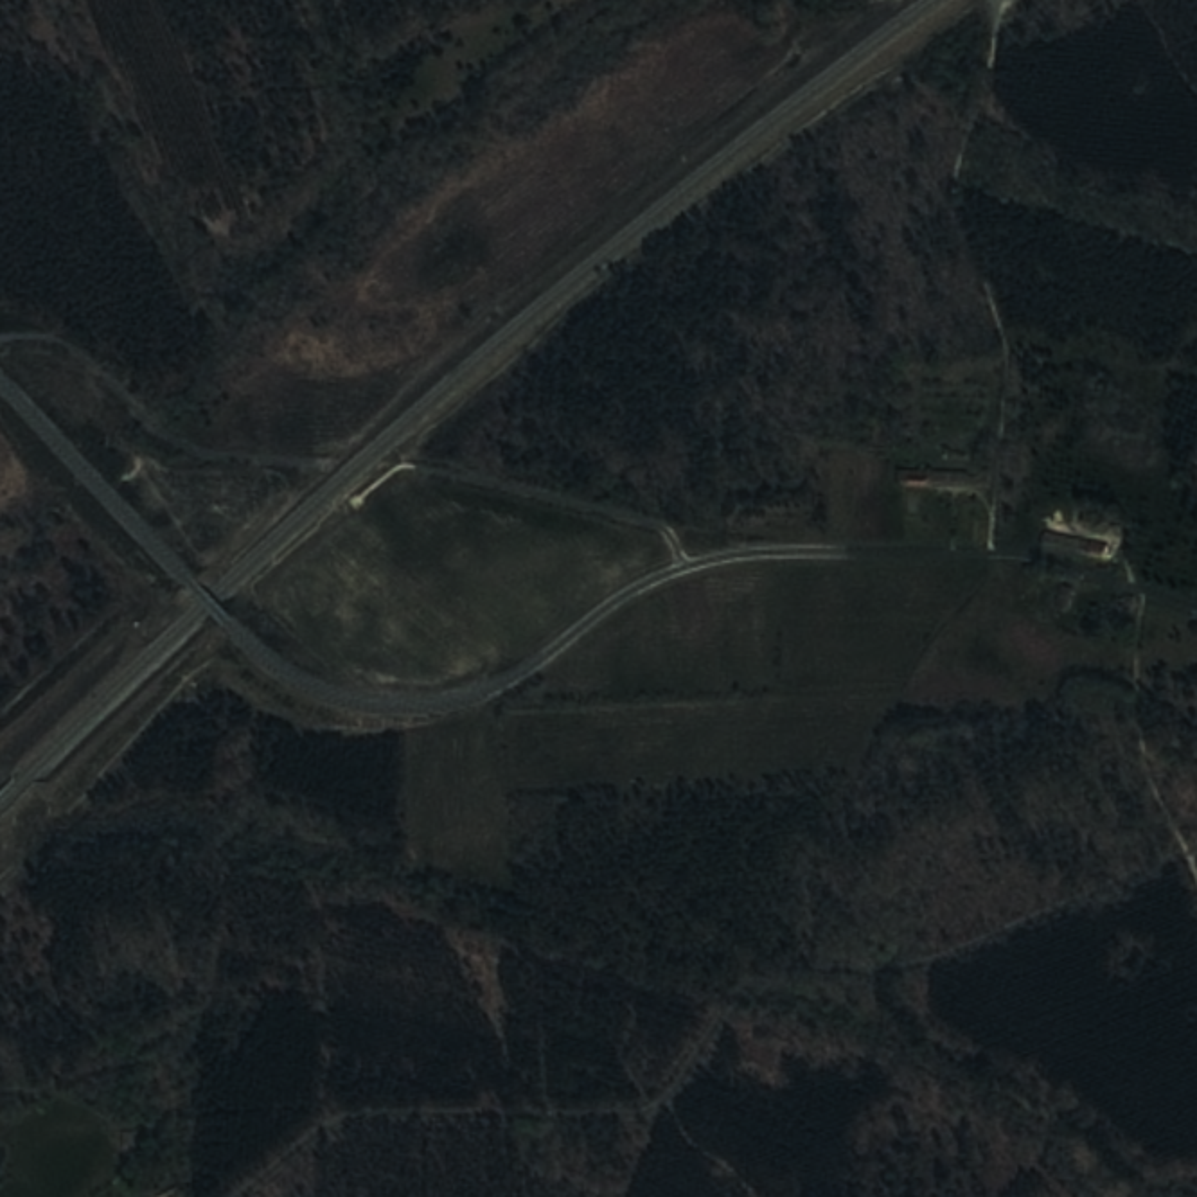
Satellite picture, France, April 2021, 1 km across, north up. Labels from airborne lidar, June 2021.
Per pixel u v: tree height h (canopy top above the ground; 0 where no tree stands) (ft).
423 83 0
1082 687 56
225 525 0
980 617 0
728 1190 24
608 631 0
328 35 66
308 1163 29
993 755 60
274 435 0
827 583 0
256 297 33
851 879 34
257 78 69
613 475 45
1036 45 34
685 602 0
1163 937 35
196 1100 34
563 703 33
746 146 0
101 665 0
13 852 0
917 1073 31
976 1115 51
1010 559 0
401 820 22
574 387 55
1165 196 47
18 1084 45
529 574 0
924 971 42
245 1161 43
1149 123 37
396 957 49
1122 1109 37
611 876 64
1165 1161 28
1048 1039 35
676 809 51
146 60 31
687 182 0
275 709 0
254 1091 40
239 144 65
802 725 0
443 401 0
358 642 0
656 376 61
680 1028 26
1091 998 34
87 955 65
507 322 0
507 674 0
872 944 54
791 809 49
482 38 0
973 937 30
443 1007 31
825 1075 36
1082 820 48
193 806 37
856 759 0
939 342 47
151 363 73
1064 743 85
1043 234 40
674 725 0
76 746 0
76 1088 50
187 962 48
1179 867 38
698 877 57
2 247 58
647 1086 33
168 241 77
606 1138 45
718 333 35
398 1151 58
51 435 0
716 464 76
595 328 54
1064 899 37
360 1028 33
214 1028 39
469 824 0
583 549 0
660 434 55
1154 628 0
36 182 64
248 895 70
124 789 53
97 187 71
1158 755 40
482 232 0
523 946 40
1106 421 51
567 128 0
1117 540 0
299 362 0
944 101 39
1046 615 0
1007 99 36
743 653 0
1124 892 46
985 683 0
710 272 56
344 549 0
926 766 61
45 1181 0
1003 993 34
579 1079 29
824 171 47
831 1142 32
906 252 31
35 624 73
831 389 49
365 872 40
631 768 0
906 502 0
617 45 20
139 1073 46
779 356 24
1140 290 38
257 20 74
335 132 65
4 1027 45
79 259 62
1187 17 52
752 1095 26
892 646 0
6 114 56
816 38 0
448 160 34
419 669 0
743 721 0
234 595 0
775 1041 52
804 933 48
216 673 0
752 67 0
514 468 41
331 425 0
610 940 60
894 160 26
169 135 31
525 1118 46
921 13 0
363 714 0
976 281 41
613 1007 46
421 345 0
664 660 0
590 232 0
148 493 0
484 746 0
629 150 0
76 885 64
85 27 52
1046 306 36
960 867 27
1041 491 23
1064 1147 26
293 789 40
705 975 60
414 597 0
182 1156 40
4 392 0
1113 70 38
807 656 0
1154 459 66
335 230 33
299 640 0
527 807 42
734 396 45
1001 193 31
